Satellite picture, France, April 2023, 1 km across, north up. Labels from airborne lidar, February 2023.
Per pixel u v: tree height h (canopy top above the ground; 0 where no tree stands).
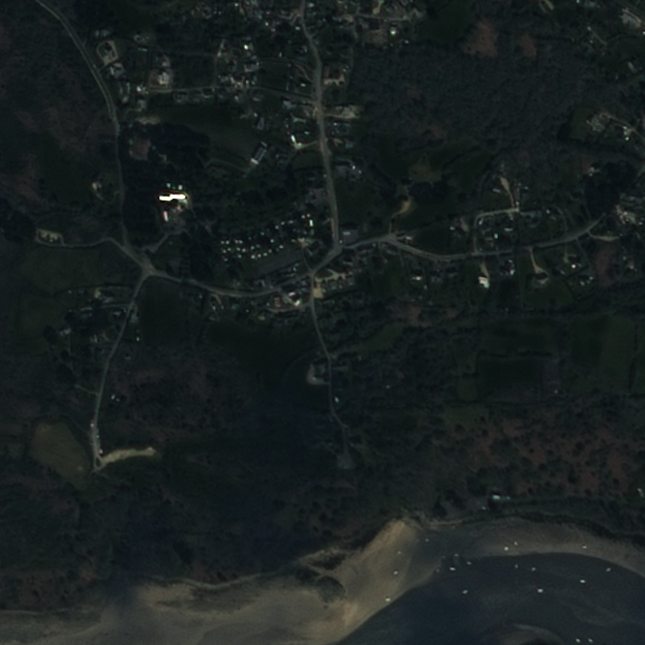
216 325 0
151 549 10
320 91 0
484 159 0
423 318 10
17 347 0
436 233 0
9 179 0
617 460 0
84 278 0
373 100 8
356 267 0
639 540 0
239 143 0
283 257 0
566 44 9
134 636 0
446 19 0
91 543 14
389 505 14
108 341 0
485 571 0
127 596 0
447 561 0
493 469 9
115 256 0
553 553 0
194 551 6
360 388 14
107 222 7
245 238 15
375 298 9
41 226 0
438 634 0
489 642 0
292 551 15
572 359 0
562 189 13
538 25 11
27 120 0
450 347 8
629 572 0
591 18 10
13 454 0
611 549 0
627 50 0
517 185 7
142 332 0
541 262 0
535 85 8
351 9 0
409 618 0
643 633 0
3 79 0
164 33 18
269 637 0
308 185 10
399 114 19
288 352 0
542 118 12
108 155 16
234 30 8
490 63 10
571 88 15
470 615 0
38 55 6
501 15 6
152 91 0
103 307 17
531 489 6
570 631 0
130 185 16
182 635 0
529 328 0
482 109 12
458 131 13
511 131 10
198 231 12
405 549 0
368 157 10
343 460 0
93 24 16
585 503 10
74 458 0
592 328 0
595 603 0
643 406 0
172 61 5
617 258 8
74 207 7
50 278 0
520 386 0
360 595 0
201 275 17
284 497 0
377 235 0
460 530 0
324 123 0
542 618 0
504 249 6
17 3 6
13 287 0
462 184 0
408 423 0
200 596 0
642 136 10
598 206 23
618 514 16
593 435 6
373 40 0
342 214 0
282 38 9
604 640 0
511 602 0
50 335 12
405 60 13
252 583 0
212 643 0
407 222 0
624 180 23
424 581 0
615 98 16
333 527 14
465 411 0
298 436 8
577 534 0
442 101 10
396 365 8
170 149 23
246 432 0
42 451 0
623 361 0
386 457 7
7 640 0
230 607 0
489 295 7
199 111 0
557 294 0
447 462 11
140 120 0
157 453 0
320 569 0
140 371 0
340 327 9
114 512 21
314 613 0
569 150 10
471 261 10
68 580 11
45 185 7
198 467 0
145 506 12
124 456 0
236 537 7
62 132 0
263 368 0
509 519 0
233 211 12
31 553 5
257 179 0
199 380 0
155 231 12
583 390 0
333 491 11
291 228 12
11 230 12
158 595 0
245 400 6
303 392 0
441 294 8
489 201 0
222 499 0
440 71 10
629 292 14
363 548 0
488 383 0
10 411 0
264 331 0
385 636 0
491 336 0
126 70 10
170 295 0
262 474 0
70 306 0
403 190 0
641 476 0
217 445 0
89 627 0
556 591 0
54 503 0
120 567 15
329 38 0
